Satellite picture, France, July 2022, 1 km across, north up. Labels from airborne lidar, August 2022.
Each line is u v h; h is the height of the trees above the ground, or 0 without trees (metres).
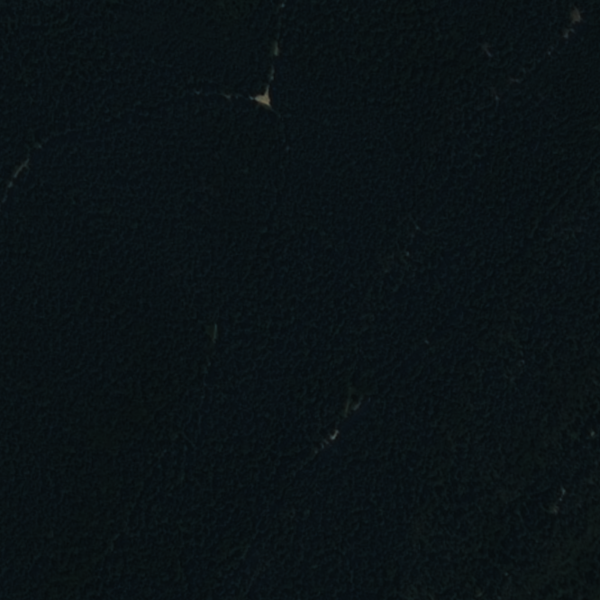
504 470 21
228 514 24
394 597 24
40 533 19
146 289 24
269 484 25
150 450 21
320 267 32
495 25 25
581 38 20
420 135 26
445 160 23
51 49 26
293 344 26
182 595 28
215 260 32
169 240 31
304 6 25
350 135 31
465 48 19
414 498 26
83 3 24
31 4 23
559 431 26
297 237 15
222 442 26
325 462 25
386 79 23
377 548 27
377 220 32
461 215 34
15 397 18
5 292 24
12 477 20
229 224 28
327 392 21
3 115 20
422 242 28
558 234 18
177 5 14
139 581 27
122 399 18
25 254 25
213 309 25
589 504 21
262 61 26
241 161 28
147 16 16
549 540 22
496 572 34
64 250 29
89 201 30
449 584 12
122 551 12
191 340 11
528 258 24
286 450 26
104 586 17
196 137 27
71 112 25
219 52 22
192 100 26
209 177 26
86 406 13
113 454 13
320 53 23
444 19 24
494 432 24
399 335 32
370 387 27
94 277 28
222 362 24
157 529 19
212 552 28
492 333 8
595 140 16
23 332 18
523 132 23
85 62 14
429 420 33
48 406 16
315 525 29
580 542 17
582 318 29
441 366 31
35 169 22
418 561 26
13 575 27
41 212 26
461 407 26
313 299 29
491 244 28
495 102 23
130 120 28
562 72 18
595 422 32
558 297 29
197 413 18
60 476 22
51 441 27
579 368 22
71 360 21
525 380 32
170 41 16
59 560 21
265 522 22
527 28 24
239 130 24
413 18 16
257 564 21
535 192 25
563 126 18
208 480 14
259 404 29
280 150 30
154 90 32
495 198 20
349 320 29
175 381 12
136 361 20
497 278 31
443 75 26
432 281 37
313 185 23
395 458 28
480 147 19
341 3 26
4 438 14
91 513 26
